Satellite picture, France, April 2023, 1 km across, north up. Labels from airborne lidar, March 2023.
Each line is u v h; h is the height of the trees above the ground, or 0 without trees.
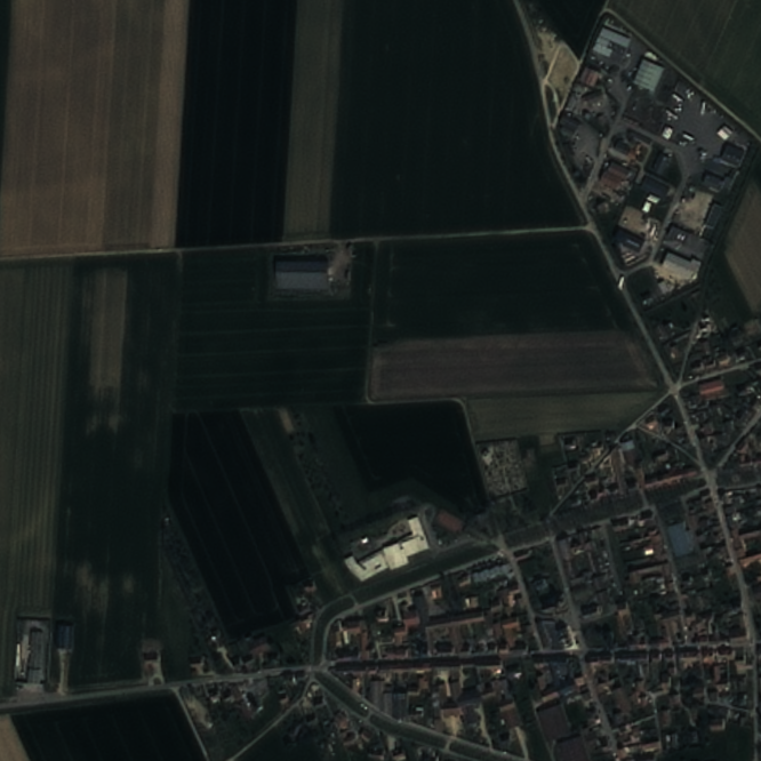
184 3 0
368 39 0
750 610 0
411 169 0
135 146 0
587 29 0
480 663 0
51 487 0
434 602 0
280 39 0
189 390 0
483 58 0
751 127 0
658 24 0
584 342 0
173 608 0
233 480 0
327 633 0
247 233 0
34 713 0
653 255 0
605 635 9
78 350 0
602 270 0
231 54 0
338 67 0
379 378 0
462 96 0
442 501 0
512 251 0
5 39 0
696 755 0
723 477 13
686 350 0
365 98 0
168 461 0
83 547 0
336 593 0
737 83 0
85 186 0
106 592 0
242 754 0
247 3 0
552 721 0
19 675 0
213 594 0
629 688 7
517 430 0
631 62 0
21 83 0
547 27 0
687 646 0
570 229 0
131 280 0
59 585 0
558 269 0
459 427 0
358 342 0
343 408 0
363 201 0
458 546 0
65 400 0
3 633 0
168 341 0
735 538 0
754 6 0
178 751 0
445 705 0
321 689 0
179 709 0
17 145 0
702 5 0
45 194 0
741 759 0
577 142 0
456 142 0
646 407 0
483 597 0
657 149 0
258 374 0
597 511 14
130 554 0
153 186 0
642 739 11
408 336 0
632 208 0
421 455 0
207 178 0
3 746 0
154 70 0
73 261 0
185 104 0
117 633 0
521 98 0
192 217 0
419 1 0
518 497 0
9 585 0
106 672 0
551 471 0
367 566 0
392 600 0
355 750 0
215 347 0
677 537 0
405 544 0
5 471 0
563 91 0
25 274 0
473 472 0
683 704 6
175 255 0
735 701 0
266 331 0
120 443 0
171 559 9
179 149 0
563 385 0
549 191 0
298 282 0
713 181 0
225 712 6
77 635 0
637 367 0
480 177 0
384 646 0
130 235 0
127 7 0
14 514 0
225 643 6
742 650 0
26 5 0
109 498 0
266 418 0
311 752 0
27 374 0
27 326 0
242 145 0
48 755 0
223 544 0
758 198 0
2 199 0
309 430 0
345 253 0
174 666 0
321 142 0
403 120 0
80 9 0
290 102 0
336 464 0
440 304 0
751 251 0
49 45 0
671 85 0
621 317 0
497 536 15
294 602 0
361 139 0
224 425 0
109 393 0
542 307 0
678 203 0
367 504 0
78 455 0
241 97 0
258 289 0
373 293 0
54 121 0
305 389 0
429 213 0
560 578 7
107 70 0
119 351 0
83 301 0
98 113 0
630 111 0
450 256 0
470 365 0
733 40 0
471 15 0
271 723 0
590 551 0
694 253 0
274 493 0
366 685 0
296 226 0
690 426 0
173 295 0
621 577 0
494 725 10
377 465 0
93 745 0
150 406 0
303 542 0
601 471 0
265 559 0
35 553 0
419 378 0
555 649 0
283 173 0
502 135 0
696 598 7
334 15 0
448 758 0
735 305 0
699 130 0
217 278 0
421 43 0
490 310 0
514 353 0
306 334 0
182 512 0
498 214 0
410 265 0
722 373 0
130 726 0
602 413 0
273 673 0
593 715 0
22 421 0
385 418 0
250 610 0
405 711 0
